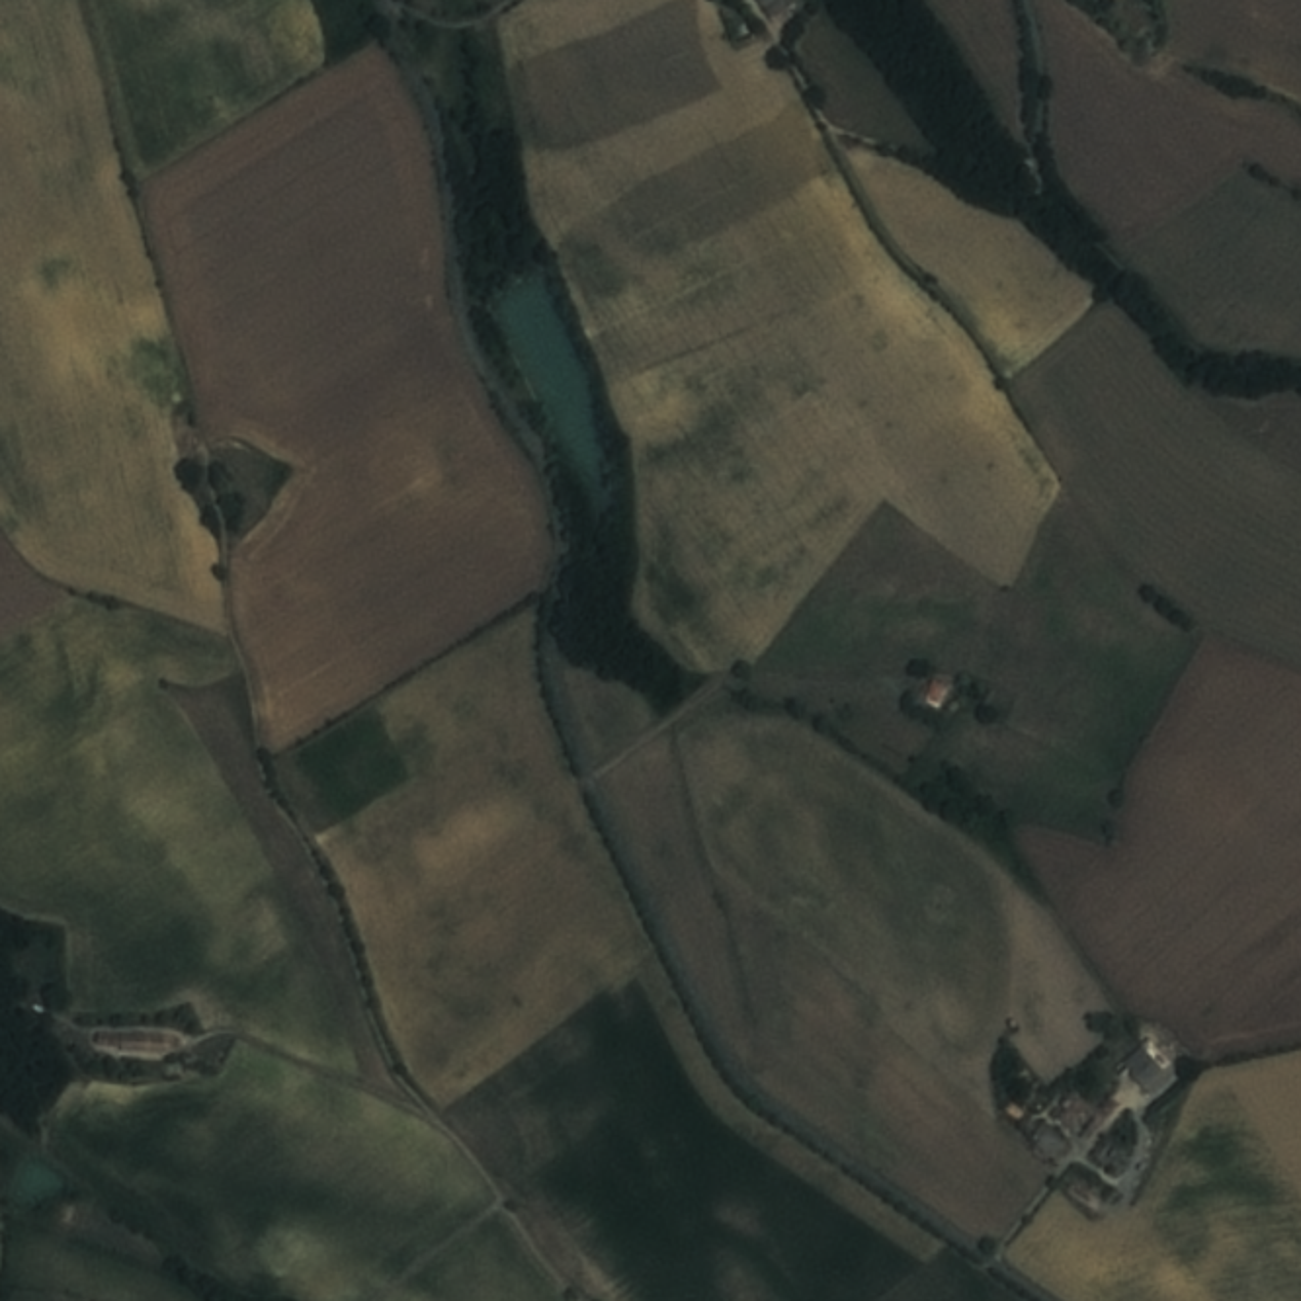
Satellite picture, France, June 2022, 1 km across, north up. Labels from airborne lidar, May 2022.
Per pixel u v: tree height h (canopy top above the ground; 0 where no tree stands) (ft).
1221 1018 0
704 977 0
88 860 0
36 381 0
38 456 0
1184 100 0
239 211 0
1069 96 0
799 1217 0
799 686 0
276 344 0
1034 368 0
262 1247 0
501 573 0
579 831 0
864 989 0
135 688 0
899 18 60
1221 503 0
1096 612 0
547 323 0
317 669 0
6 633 0
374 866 0
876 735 0
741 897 0
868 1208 0
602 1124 0
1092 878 0
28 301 0
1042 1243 0
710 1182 0
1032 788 0
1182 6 0
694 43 0
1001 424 0
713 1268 0
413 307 0
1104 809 0
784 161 0
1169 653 0
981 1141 0
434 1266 0
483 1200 0
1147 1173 0
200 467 25
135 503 0
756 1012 0
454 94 0
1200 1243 0
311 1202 0
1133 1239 0
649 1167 0
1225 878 0
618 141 0
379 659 0
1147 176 0
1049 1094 20
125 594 0
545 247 22
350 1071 0
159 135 0
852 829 0
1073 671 0
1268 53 0
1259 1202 0
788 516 0
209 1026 0
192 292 0
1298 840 0
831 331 0
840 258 0
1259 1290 0
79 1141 0
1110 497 0
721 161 0
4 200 0
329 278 0
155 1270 18
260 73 0
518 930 0
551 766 0
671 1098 0
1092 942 0
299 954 0
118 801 0
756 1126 0
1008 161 64
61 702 0
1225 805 0
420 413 0
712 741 0
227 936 0
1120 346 0
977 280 0
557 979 0
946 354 0
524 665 0
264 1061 0
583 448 0
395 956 0
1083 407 0
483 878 0
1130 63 0
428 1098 0
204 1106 0
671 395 0
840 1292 0
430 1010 0
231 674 0
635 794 0
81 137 0
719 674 0
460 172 47
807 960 0
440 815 0
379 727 0
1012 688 0
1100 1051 22
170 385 0
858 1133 0
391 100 0
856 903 0
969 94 65
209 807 0
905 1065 0
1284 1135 0
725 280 0
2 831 0
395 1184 0
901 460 0
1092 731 0
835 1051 0
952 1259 0
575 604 60
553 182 0
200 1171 0
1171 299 0
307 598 0
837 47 0
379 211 0
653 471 0
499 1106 0
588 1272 0
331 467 0
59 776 0
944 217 0
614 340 0
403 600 0
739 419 0
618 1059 0
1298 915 0
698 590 0
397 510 0
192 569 0
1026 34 22
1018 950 0
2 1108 68
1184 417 0
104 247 0
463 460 0
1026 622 0
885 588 0
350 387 0
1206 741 0
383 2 0
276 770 28
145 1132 0
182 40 0
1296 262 0
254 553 0
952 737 0
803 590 0
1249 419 0
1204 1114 0
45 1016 35
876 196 0
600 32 0
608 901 0
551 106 0
